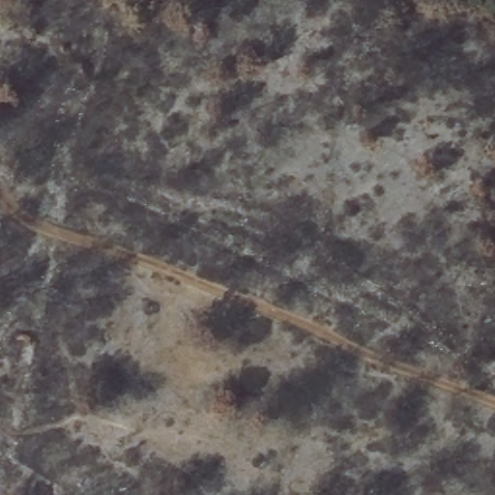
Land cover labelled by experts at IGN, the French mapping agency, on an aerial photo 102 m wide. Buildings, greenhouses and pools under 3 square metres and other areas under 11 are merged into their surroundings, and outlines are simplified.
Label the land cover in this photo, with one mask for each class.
<instances>
[{"label":"bare soil","instance_id":"1","mask_svg":"<svg viewBox=\"0 0 495 495\"><path fill-rule=\"evenodd\" d=\"M23 6L19 12H8L10 25L0 23V126L6 118H15L19 110L27 106V102H37L43 97L44 87L48 85V75L56 72L58 66L54 56L64 54L66 50L64 35L46 29L43 17L44 0H21ZM102 12L110 15L114 21H122V25H126L130 33L139 27V10L126 6V0H101ZM182 4L184 21L203 23L205 35L203 39H193L189 43L186 35L180 29H176V48L168 50L166 46H159L160 64L164 73L160 75V79H153V89L145 97L135 99V104L143 110V114L139 116V133L135 141L124 139L122 149L139 151L141 159H145L149 151V145L145 141L147 133L155 130L162 147L168 151L160 166L182 168L188 166L189 162L205 159V153L209 149H217L230 137H246L249 159H236L232 153H224L222 162L215 168V176L220 186L211 189L205 197L191 195L186 191L178 193L174 189L159 188L157 193H153L151 203L143 197L130 195L128 201L159 213L166 222H178L182 218V211L188 209L197 213V220L201 224H207L211 218H218L228 226H244L249 218L263 220L269 217L265 211H246L240 205L244 197L246 201H284L292 195L307 191L313 197L317 230L325 236H338L335 247L331 249V255L335 259L346 261V265L360 267L362 271H367L373 265V277L356 282L354 286H336L327 278L319 280L311 292L327 296L331 300L329 304L315 302L311 313L304 311L302 302H294L292 309L275 306V292L278 286L271 282L269 277L257 288H251L247 294L236 288H226L224 284L199 277L182 261H178L176 265H168L160 257L145 255L143 242H137L135 234H131L122 224H102V203H95L77 213L66 203V189L56 186L54 182L48 180L46 184L33 186V182L27 178L23 184H19L14 178L19 160L15 159L12 153H8L6 147L0 143V495H495V41L489 39L480 19L468 21V14H454L451 23H443V4H435L433 0H176ZM91 375H95L104 383L102 393L108 396V402L97 414L91 412L83 393L85 379ZM222 379L224 389L232 393L234 408L230 412H218L211 396L213 383ZM311 261L304 255L294 265L284 267V277L298 278L306 275Z\"/></svg>","mask_w":495,"mask_h":495},{"label":"coniferous trees","instance_id":"2","mask_svg":"<svg viewBox=\"0 0 495 495\"><path fill-rule=\"evenodd\" d=\"M23 6L21 0H0V23L10 25L8 12H19ZM126 6L139 10V27L130 33L126 25H122V21H114L110 15L102 12L101 0H44L43 17L46 29L64 35L66 50L64 54L54 56L58 66L56 72L48 75V85L44 87L43 97L37 102H27V106L19 110L15 118H6L0 126V143L6 147L8 153H12L15 159L19 160L14 178L19 184H23L27 178L33 182V186L46 184L48 180L54 182L56 186L66 189V203L77 213L95 203H102V224H122L131 234H135L137 242H143L145 255L160 257L168 265H176L178 261H182L199 277L224 284L226 288H236L247 294L251 288H257L269 277L271 282L278 286L275 292V306L292 309L294 302H302L304 311L311 313L315 302L329 304L331 300L327 296L311 292L319 280L327 278L336 286H354L356 282L373 277V265L367 271H362L360 267L346 265V261L335 259L331 255V249L335 247L338 236H325L317 230L313 197L307 191L292 195L284 201H246L244 197L240 205L246 211H265L269 217L263 220L249 218L244 226H228L218 218H211L207 224H201L197 220V213L188 209L182 211V218L178 222H166L159 213L128 201L130 195L143 197L151 203L153 193H157L159 188L174 189L178 193L186 191L191 195L205 197L211 189L220 186L215 176V168L222 162L224 153H232L236 159H249L246 137H230L217 149H209L205 153V159L189 162L188 166L182 168L160 166L168 151L162 147L155 130L147 133L145 141L149 145V151L145 159H141L139 151L122 149L124 139L135 141L139 133V116L143 114V110L135 104V99L145 97L153 89V79H160V75L164 73L160 64L159 46H166L168 50L176 48V29H180L186 35L189 43L193 39H203L205 35L203 23L184 21L182 4L176 0H126ZM304 255L311 261L306 275L298 278L284 277V267L294 265ZM104 383L95 375H91L85 379L83 393L91 412L97 414L108 402V396L102 393ZM211 396L218 412H230L234 408L232 393L224 389L222 379L213 383Z\"/></svg>","mask_w":495,"mask_h":495},{"label":"brushwood","instance_id":"3","mask_svg":"<svg viewBox=\"0 0 495 495\"><path fill-rule=\"evenodd\" d=\"M435 4H443V23H451L454 14H468V21L480 19L489 39L495 41V0H433Z\"/></svg>","mask_w":495,"mask_h":495}]
</instances>
